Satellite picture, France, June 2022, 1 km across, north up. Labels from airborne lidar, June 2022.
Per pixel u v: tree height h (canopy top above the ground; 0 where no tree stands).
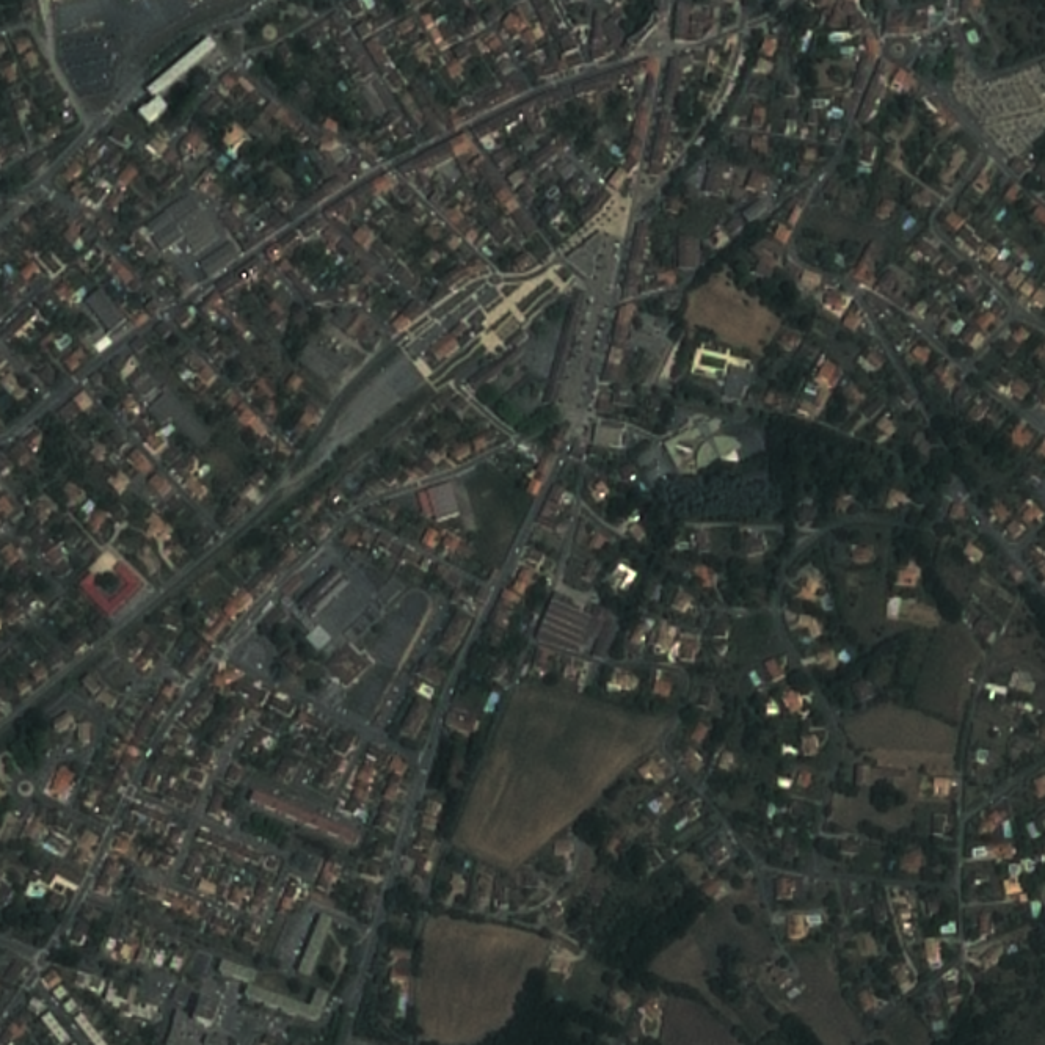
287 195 0
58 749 0
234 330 8
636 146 0
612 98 7
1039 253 0
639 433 0
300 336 6
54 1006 0
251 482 0
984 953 0
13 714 0
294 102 0
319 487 7
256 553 0
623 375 0
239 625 0
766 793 15
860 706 16
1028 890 14
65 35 0
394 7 9
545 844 0
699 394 16
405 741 13
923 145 7
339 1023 9
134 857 0
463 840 0
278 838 8
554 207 0
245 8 0
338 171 0
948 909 12
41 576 9
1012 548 0
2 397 13
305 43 7
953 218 0
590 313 0
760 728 15
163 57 9
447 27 0
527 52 0
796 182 12
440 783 9
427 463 0
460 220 0
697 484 17
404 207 7
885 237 0
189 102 13
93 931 8
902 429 0
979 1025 15
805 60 9
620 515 8
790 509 19
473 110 0
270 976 0
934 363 6
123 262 0
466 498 0
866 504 6
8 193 16
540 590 7
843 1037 0
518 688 0
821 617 8
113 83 0
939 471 21
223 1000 0
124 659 0
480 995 0
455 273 0
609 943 6
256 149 7
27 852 8
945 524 9
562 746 0
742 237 10
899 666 6
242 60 0
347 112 7
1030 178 11
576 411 0
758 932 0
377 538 0
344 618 0
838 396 8
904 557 19
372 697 0
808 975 0
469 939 0
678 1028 0
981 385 12
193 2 0
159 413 0
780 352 7
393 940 7
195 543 6
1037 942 11
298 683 0
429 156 0
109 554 0
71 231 0
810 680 12
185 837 0
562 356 0
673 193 15
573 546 0
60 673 0
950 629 0
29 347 7
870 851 0
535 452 0
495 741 0
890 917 8
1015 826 7
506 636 6
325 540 0
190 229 0
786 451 13
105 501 10
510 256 7
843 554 9
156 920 0
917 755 0
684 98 16
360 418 0
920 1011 11
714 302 0
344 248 0
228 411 7
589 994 0
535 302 0
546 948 0
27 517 7
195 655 0
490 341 0
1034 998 9
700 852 6
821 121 8
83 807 6
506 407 20
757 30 12
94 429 7
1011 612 0
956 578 0
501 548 0
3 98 8
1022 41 9
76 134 0
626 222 0
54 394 0
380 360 0
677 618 9
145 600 0
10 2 19
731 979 21
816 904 0
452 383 0
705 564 13
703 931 0
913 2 9
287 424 8
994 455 15
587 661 0
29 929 10
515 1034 22
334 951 0
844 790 11
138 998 0
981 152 0
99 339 0
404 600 0
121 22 0
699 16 0
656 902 8
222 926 0
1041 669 0
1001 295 0
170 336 7
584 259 0
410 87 6
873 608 0
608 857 8
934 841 12
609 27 0
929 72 11
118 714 8
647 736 0
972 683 0
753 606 9
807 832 8
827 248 7
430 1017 0
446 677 8
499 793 0
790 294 14
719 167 0
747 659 0
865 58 0
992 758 0
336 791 0
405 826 0
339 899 6
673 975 0
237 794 6
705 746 12
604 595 11
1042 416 0
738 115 0
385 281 0
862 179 7
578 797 0
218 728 0
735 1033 12
